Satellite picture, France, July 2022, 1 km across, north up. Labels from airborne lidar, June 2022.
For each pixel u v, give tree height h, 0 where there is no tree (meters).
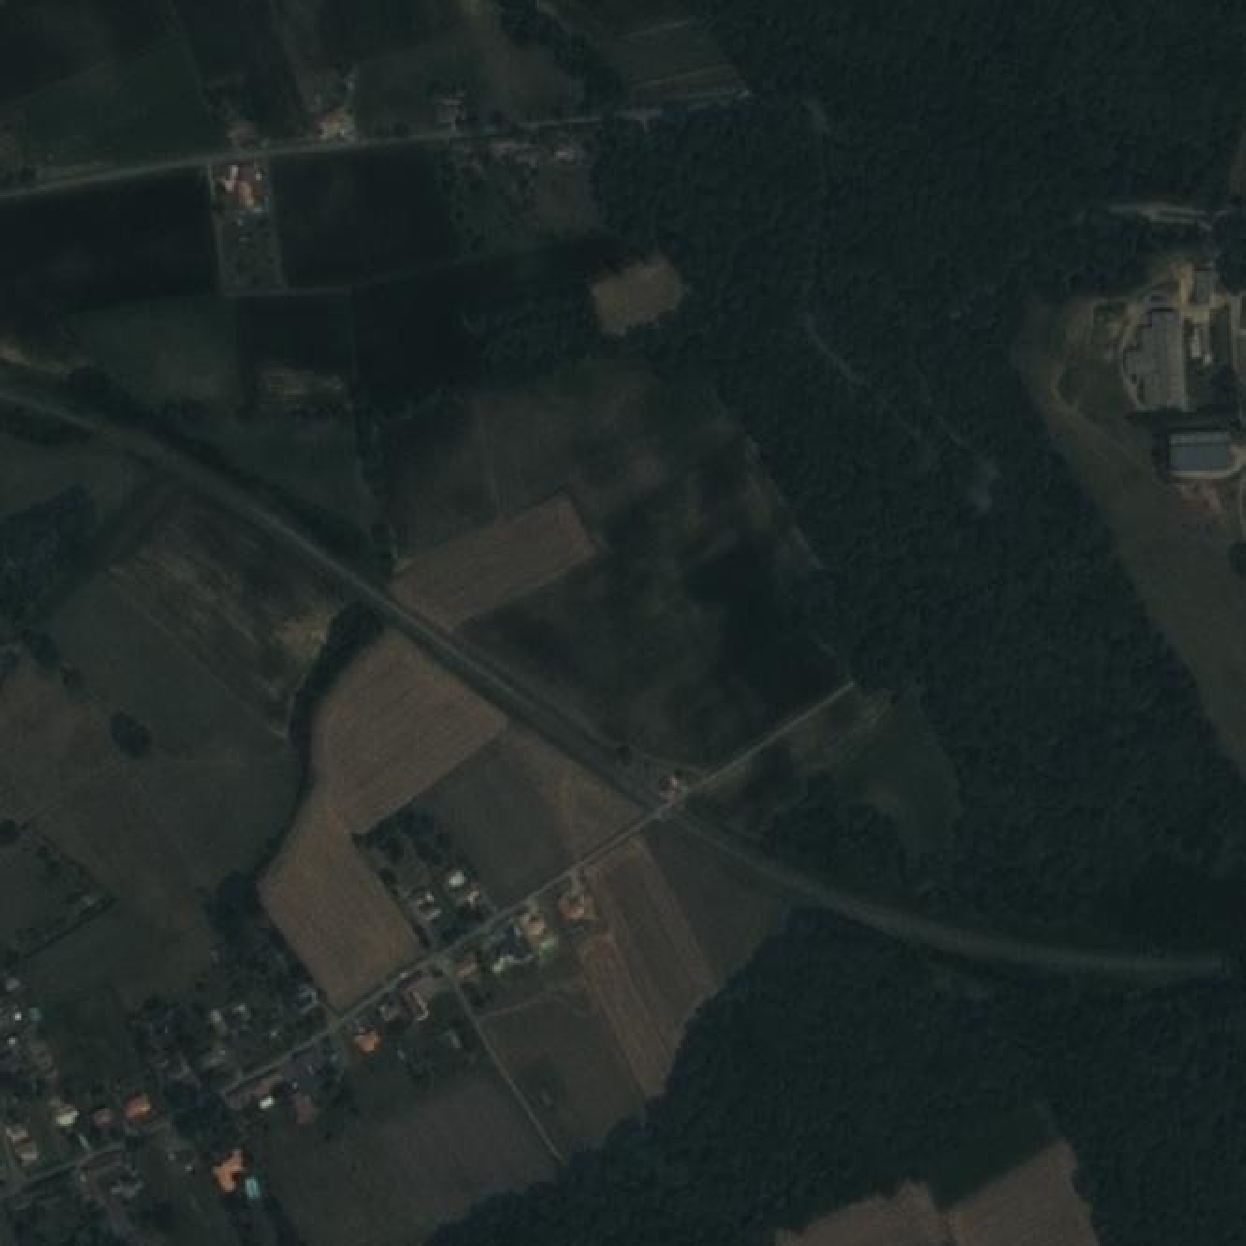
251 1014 8
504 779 0
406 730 0
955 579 25
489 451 0
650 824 0
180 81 0
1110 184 21
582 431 0
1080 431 0
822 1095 23
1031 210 25
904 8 28
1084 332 0
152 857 0
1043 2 29
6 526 10
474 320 18
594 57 17
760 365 30
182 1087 19
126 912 0
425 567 0
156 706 0
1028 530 32
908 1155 25
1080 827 26
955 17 30
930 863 20
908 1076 20
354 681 0
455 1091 0
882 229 28
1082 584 21
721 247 33
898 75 22
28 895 0
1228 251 17
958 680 25
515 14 25
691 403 0
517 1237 27
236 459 0
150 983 0
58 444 7
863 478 28
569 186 0
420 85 0
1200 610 0
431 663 0
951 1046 21
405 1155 0
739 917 0
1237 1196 29
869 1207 0
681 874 0
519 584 0
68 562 21
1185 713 19
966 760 15
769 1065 24
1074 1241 0
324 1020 6
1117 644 30
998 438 21
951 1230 0
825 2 28
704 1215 25
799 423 27
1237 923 18
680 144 29
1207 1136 26
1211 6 30
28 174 12
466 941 0
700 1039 22
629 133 15
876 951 25
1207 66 26
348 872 0
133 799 0
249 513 0
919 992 19
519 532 0
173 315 0
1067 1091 27
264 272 0
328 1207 0
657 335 21
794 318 24
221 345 0
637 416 0
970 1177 0
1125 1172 26
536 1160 0
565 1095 0
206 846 0
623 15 0
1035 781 27
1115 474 0
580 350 24
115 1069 0
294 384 0
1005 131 27
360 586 0
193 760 0
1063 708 28
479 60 0
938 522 30
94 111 0
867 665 21
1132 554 0
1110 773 25
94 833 0
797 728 0
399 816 6
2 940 0
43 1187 7
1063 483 23
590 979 0
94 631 0
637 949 0
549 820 0
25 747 0
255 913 20
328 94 0
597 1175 30
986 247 27
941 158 26
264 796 0
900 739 0
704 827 0
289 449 0
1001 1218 0
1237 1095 24
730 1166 15
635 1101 0
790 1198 20
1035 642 30
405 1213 0
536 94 0
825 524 28
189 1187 0
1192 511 0
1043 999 31
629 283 0
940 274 26
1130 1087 21
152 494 0
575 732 0
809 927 21
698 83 0
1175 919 15
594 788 0
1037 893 25
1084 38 26
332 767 0
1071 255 28
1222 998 17
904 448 16
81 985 0
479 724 0
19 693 0
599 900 0
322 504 0
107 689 0
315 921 0
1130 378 0
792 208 32
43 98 0
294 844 0
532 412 0
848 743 0
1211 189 19
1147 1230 26
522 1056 0
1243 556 17
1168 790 29
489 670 0
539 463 0
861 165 27
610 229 12
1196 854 26
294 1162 0
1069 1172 0
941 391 24
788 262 31
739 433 0
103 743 0
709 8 28
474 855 0
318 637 0
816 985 23
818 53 31
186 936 0
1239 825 31
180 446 10
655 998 0
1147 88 26
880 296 22
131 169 0
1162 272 0
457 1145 0
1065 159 25
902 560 26
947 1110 24
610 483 0
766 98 31
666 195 27
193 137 0
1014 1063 25
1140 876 12
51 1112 0
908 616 31
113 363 0
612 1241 23
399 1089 0
